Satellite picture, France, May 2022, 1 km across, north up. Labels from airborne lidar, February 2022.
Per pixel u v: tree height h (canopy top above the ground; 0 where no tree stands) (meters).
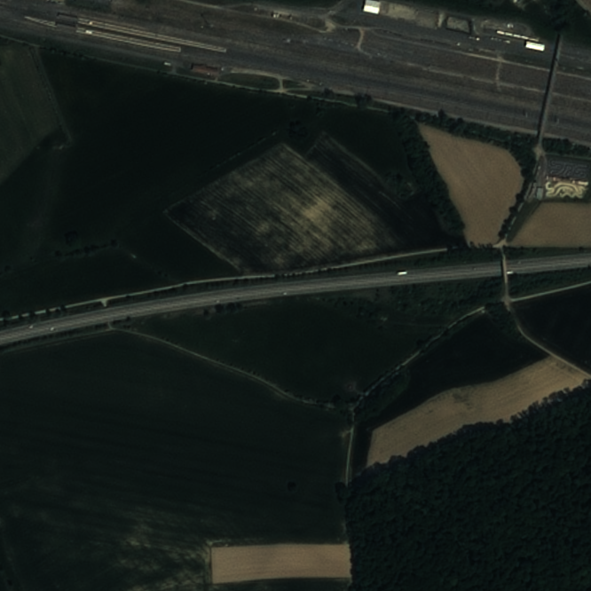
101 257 0
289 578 0
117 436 0
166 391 0
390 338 0
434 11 0
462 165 0
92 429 0
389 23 0
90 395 0
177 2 0
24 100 0
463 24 0
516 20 0
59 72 0
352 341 0
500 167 0
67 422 0
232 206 0
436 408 0
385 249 0
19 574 0
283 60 0
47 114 0
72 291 0
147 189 0
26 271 0
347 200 0
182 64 0
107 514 0
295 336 0
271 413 0
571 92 0
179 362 0
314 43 0
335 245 0
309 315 0
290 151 0
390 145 0
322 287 0
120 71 0
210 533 0
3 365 0
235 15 0
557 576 28
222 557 0
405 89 0
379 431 0
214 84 0
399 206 0
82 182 0
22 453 0
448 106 0
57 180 0
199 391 0
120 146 0
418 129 8
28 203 0
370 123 0
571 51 0
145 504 0
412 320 0
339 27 0
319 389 0
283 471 0
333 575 0
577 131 0
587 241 0
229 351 0
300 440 0
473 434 24
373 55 0
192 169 0
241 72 0
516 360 0
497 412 0
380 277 0
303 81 0
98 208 0
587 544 26
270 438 0
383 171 0
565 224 0
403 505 29
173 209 0
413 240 0
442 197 16
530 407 0
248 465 0
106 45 0
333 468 0
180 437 0
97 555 0
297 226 0
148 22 0
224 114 0
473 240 0
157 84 0
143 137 0
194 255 0
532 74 0
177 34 0
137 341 0
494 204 0
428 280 0
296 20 0
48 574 0
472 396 0
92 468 0
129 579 0
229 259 0
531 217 0
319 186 0
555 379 0
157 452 0
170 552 0
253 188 0
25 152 0
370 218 0
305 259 0
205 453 0
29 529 0
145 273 0
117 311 0
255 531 0
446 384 0
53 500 0
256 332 0
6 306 0
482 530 29
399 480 30
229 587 0
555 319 0
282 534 0
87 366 0
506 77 0
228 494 0
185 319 0
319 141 0
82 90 0
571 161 0
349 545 0
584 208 0
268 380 6
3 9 0
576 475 30
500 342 0
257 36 0
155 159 0
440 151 0
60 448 0
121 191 0
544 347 0
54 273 0
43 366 0
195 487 0
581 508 25
